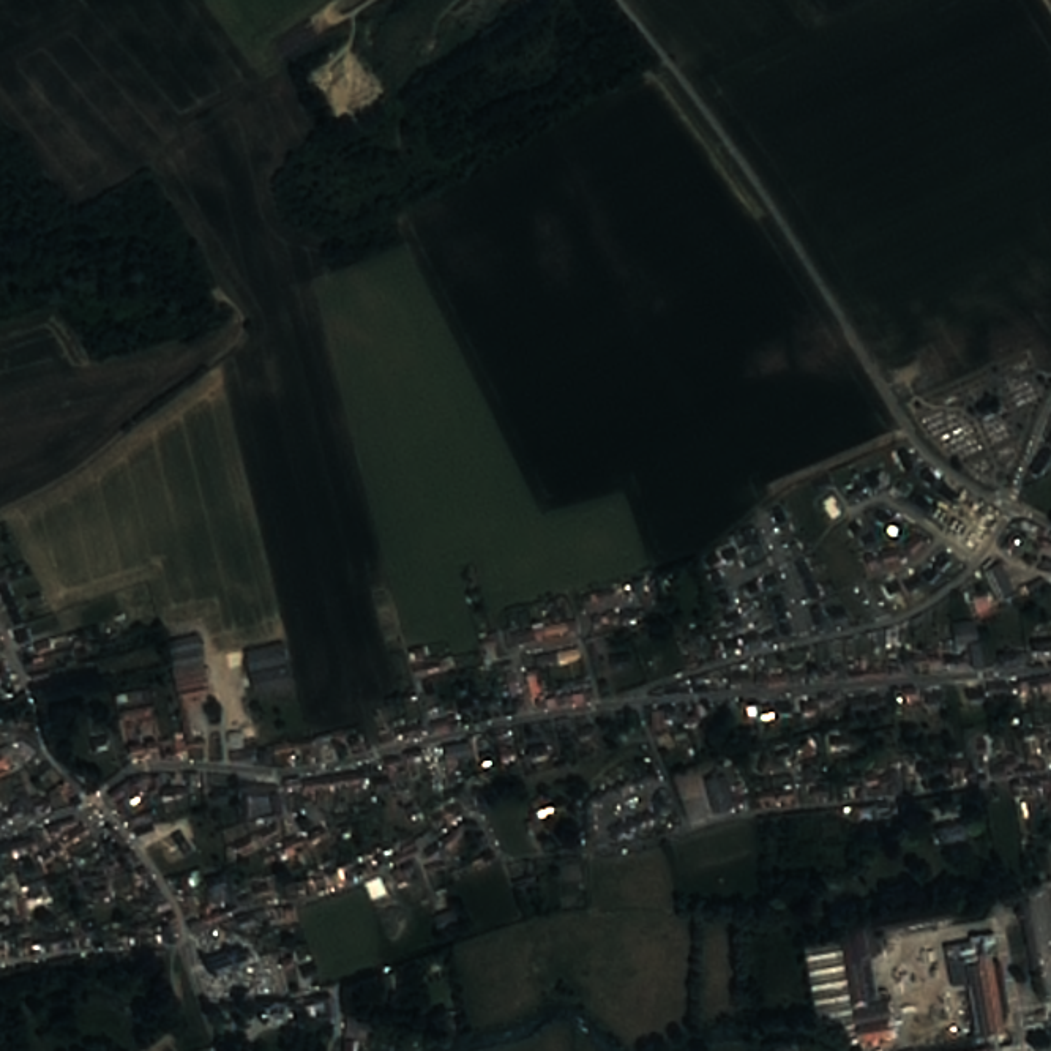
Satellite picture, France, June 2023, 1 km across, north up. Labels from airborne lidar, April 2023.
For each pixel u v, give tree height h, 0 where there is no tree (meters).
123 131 0
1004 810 0
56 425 0
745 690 0
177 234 13
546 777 0
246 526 0
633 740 0
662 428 0
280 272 0
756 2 0
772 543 0
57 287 21
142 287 17
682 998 0
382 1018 14
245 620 0
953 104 0
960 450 0
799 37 0
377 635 0
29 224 8
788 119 0
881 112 0
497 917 0
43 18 0
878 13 0
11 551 0
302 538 0
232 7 0
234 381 0
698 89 0
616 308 0
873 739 10
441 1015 10
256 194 0
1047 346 0
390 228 7
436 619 0
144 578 0
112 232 10
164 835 0
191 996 0
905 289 0
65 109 0
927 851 0
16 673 0
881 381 0
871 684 0
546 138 0
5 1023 7
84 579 0
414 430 0
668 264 0
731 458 0
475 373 0
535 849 0
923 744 12
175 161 0
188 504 0
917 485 0
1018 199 0
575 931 0
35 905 0
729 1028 14
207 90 0
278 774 0
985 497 0
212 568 0
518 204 0
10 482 0
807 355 0
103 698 0
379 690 0
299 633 0
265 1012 0
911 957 0
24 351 0
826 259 0
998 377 0
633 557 0
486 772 0
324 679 0
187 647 0
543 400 0
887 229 0
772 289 0
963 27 0
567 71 9
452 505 0
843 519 0
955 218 0
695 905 16
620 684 0
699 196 0
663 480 0
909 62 0
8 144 12
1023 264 0
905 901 20
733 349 0
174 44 0
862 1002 0
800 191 0
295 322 0
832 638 0
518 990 0
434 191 14
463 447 0
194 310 10
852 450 0
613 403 0
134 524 0
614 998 0
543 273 0
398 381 0
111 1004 0
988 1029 0
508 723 0
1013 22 0
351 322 0
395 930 0
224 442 0
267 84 0
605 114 0
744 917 25
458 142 11
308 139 6
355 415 0
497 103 10
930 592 0
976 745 0
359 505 0
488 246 0
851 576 0
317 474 0
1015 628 0
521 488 0
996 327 0
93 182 0
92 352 8
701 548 0
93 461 0
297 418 0
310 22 0
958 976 0
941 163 0
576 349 0
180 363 0
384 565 0
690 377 0
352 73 0
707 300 0
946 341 0
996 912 0
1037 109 0
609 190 0
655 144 0
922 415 0
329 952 0
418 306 0
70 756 10
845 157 0
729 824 0
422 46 0
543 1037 0
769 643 0
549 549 0
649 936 0
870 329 0
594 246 0
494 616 0
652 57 13
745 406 0
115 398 0
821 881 28
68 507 0
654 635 10
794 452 0
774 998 0
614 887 0
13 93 0
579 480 0
